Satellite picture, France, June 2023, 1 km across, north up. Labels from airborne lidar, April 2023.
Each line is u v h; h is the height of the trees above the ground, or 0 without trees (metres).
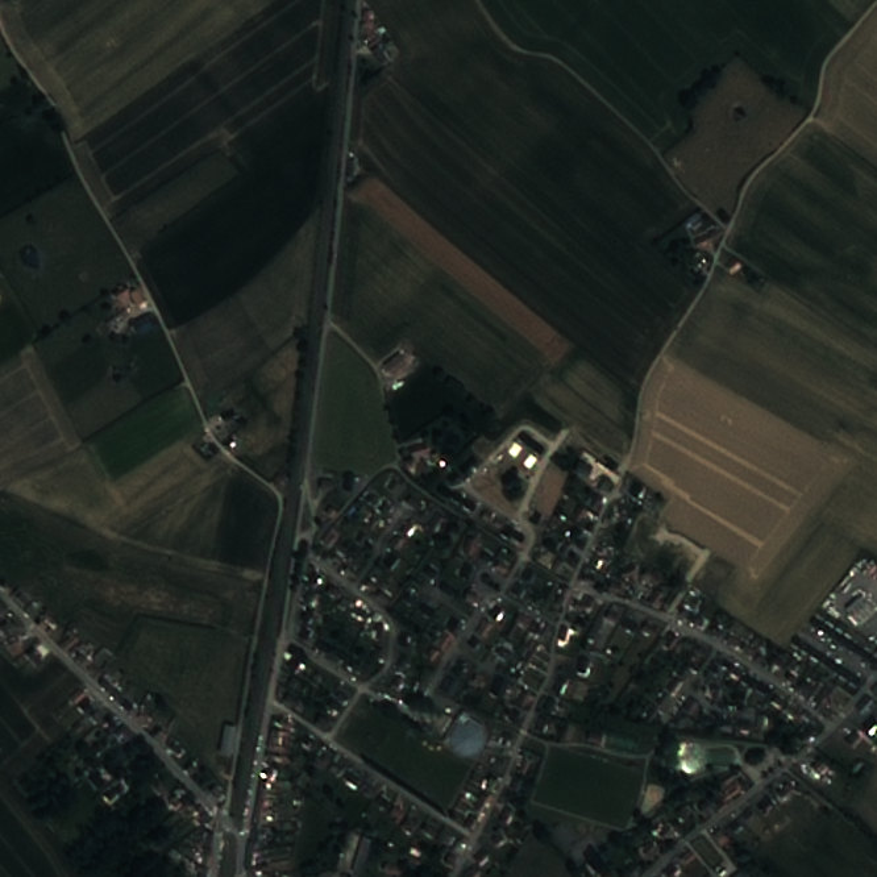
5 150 0
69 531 0
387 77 0
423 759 0
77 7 0
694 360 0
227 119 0
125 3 0
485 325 0
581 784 0
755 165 0
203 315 0
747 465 0
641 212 0
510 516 0
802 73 0
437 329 0
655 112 0
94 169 0
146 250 0
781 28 0
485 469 0
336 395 0
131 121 0
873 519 0
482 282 0
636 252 0
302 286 0
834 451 0
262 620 0
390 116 0
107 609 0
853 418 0
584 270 0
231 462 0
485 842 0
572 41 0
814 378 0
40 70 0
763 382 0
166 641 0
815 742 0
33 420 0
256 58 0
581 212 0
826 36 0
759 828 0
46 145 0
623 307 0
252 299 0
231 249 0
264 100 0
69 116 0
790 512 0
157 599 0
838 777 0
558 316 0
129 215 0
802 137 0
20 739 0
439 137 0
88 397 0
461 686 0
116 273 0
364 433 0
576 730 0
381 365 0
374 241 0
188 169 0
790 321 0
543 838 19
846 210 0
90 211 0
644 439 0
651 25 0
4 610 0
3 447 0
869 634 0
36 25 0
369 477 0
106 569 0
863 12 0
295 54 0
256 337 0
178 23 0
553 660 0
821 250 0
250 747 0
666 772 9
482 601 0
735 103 0
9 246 0
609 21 0
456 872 0
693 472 0
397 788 0
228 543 0
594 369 0
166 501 0
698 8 0
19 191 0
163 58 0
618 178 0
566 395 0
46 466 0
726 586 0
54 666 0
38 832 0
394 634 0
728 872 0
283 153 0
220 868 0
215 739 0
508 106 0
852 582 0
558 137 0
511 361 0
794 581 0
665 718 0
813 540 0
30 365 0
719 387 0
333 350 0
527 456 0
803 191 0
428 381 0
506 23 0
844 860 0
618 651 9
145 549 0
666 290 0
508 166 0
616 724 0
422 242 0
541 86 0
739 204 0
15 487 0
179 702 0
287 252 0
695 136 0
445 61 0
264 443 0
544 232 0
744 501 0
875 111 0
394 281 0
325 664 0
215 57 0
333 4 0
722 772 0
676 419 0
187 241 0
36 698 0
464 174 0
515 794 8
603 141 0
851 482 0
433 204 0
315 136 0
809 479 0
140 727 0
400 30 0
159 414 0
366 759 0
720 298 0
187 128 0
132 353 0
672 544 0
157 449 0
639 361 0
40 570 0
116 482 0
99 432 0
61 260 0
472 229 0
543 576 0
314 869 11
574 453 6
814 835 0
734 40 0
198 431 0
